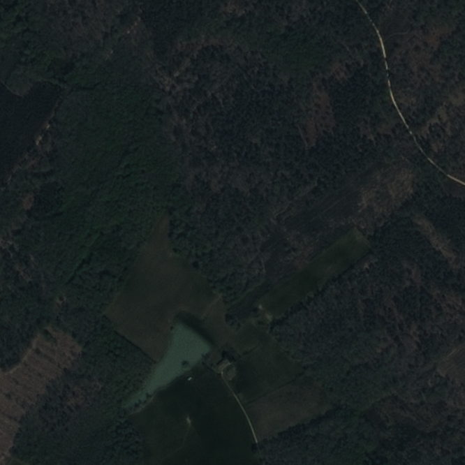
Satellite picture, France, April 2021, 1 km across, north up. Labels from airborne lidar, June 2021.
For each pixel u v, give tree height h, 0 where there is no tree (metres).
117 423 19
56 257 18
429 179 18
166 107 12
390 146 14
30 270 13
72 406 7
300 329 19
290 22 21
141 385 13
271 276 6
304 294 0
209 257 25
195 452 0
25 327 25
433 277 17
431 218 17
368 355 15
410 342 15
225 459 0
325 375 27
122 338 12
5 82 8
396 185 0
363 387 29
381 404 22
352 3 7
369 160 15
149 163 23
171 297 0
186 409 0
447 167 17
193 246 29
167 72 13
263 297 0
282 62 21
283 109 11
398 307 17
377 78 15
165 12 23
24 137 11
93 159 21
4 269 23
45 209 10
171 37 24
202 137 19
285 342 26
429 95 17
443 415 19
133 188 23
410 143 9
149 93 17
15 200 16
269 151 8
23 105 12
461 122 8
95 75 17
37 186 20
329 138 21
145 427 0
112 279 25
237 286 18
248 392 0
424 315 19
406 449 20
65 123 15
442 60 21
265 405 0
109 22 19
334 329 26
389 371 20
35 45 18
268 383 0
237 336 0
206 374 0
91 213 26
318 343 27
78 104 19
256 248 14
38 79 14
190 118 22
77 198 18
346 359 21
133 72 15
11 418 9
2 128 13
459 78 10
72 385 13
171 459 0
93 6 13
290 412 0
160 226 0
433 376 10
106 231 22
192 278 0
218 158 12
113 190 24
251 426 0
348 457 29
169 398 0
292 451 23
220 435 0
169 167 21
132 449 12
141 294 0
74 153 21
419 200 21
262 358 0
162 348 0
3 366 6
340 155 20
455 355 0
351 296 17
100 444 20
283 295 0
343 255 0
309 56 27
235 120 19
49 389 14
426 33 22
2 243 10
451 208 12
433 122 0
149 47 17
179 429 0
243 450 0
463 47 16
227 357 9
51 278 20
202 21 18
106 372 16
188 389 0
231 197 21
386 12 16
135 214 24
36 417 13
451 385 11
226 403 0
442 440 17
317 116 8
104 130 21
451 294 11
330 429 23
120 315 0
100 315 18
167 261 0
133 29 13
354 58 17
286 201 7
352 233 0
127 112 25
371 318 22
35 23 21
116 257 17
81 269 24
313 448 26
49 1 15
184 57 17
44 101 13
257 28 22
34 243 15
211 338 0
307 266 0
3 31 25
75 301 23
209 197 18
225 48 8
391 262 22
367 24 10
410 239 24
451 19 21
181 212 25
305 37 21
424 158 13
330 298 19
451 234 21
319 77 20
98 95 22
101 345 19
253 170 17
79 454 18
